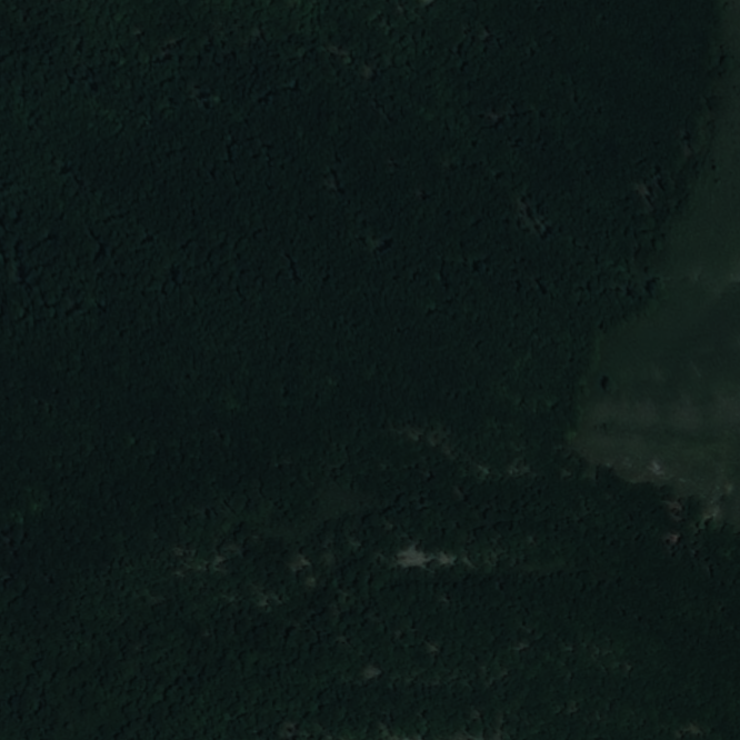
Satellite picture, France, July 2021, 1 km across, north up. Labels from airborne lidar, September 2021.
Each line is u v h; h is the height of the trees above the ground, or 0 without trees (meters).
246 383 22
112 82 26
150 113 26
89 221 30
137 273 29
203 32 21
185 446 15
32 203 29
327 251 25
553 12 21
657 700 16
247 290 26
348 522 10
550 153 23
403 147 26
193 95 26
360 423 12
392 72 24
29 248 27
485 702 18
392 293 25
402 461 12
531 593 18
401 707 22
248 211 31
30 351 25
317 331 27
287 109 27
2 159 28
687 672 16
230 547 18
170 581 17
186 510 22
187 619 18
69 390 18
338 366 21
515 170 21
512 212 21
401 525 19
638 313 22
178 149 26
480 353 21
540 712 16
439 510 23
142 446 18
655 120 17
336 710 21
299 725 20
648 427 0
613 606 18
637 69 21
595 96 18
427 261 23
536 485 17
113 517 22
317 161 29
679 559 19
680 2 22
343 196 24
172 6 20
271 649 12
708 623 18
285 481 19
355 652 15
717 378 0
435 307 23
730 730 20
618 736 17
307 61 23
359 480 15
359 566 21
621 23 22
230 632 12
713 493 0
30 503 20
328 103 24
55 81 23
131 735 23
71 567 27
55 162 28
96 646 22
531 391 19
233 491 16
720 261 0
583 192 21
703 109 20
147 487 21
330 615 16
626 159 21
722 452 0
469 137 24
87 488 15
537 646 16
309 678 21
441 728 18
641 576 17
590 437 0
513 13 21
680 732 8
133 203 24
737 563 16
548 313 25
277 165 25
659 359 0
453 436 7
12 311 30
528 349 24
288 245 29
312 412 19
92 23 19
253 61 19
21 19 18
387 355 21
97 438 20
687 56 22
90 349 24
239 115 27
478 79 20
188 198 31
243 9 17
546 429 15
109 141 24
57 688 25
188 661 20
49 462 19
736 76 0
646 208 21
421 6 14
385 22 17
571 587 19
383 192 23
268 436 18
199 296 26
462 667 17
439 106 26
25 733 13
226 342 29
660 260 0
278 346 25
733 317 0
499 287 26
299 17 15
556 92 19
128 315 30
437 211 24
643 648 14
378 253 21
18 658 24
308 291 26
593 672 13
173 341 24
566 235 23
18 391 19
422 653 20
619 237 25
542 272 25
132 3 18
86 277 28
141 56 22
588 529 15
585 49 19
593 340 23
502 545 14
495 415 19
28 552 26
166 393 23
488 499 18
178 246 28
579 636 15
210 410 26
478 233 25
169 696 26
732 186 0
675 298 0
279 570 20
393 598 21
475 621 19
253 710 19
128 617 20
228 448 14
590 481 14
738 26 0
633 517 19
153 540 20
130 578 16
